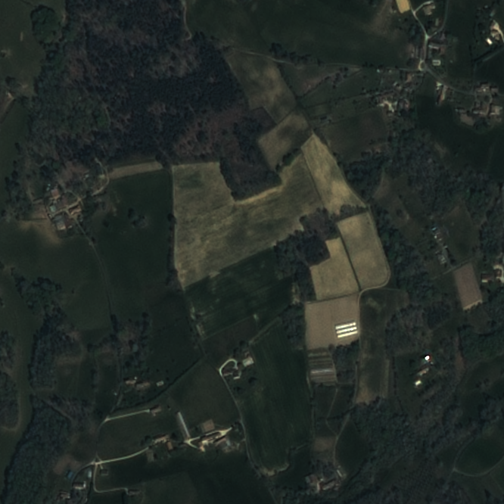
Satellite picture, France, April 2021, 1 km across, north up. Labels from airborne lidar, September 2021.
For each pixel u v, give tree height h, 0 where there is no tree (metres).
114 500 0
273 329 0
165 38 19
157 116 10
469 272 0
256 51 0
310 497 6
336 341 0
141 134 16
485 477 0
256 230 0
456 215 0
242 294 0
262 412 0
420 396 8
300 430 0
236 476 0
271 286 0
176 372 0
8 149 0
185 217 0
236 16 0
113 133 14
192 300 0
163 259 0
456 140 0
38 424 16
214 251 0
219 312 0
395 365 11
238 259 0
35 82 0
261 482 10
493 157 0
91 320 0
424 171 14
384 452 21
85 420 19
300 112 0
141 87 14
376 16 0
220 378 0
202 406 0
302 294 8
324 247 18
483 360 20
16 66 0
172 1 16
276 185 15
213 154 8
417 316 19
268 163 0
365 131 0
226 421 0
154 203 0
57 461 22
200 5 0
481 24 7
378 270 0
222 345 0
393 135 9
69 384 0
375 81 0
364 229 0
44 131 21
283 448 0
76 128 24
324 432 0
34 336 0
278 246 11
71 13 19
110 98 23
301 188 0
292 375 0
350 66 0
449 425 21
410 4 0
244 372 7
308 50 0
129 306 0
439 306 11
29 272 0
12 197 23
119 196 0
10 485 16
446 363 18
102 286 0
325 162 0
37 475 24
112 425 0
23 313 0
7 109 0
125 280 0
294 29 0
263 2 0
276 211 0
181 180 0
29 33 0
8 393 23
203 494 0
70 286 0
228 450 0
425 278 14
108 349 15
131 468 0
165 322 0
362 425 23
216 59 16
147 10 23
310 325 0
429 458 17
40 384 13
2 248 0
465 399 0
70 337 0
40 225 0
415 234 0
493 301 16
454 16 0
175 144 14
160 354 0
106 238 0
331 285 0
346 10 0
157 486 0
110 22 17
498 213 12
